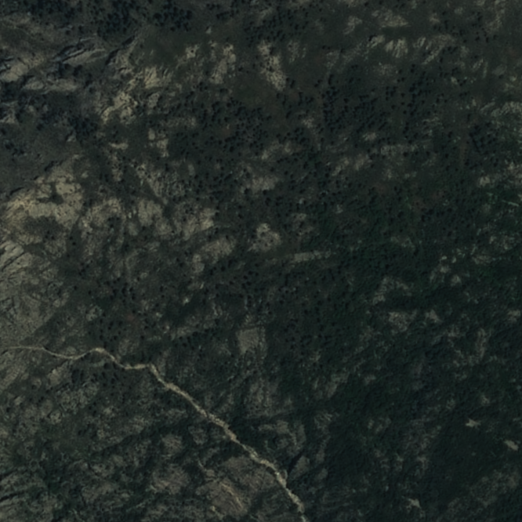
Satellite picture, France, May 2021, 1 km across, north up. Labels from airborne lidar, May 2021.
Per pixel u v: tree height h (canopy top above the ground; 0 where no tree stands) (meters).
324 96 15
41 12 18
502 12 0
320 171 19
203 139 0
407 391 12
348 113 17
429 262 8
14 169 0
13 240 0
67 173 0
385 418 13
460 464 18
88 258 0
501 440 8
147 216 0
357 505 6
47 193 0
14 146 15
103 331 20
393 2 0
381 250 10
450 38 0
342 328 17
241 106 12
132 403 6
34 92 9
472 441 7
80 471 14
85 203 7
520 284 9
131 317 0
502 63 0
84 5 11
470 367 14
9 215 0
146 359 22
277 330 6
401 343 14
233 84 0
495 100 0
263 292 15
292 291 14
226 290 23
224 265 7
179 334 0
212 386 10
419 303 18
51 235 17
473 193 8
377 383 10
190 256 21
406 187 9
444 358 7
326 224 22
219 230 22
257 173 0
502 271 12
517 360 9
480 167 17
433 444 6
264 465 13
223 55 0
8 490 6
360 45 0
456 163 7
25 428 7
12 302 7
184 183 12
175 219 0
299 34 7
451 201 8
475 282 14
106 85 0
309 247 8
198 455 6
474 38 0
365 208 11
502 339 11
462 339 12
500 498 14
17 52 0
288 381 11
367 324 8
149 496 16
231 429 17
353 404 17
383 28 0
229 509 0
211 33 0
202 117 15
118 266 0
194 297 6
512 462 7
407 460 8
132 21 10
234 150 20
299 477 8
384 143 13
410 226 6
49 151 0
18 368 0
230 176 15
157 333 9
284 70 0
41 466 15
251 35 15
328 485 8
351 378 14
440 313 7
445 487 6
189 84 0
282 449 9
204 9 0
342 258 8
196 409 6
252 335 0
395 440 18
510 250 10
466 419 22
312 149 19
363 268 8
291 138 10
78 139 9
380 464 13
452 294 13
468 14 0
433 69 0
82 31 15
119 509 11
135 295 18
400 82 15
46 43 0
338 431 18
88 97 0
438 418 8
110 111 0
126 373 26
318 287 24
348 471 6
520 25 0
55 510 13
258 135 12
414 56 0
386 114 18
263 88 0
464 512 7
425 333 15
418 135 14
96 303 8
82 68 15
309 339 31
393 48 0
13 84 16
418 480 11
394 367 14
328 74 0
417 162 7
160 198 0
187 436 10
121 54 0
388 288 8
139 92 0
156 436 11
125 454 9
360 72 13
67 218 0
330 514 7
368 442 15
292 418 13
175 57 0
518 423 7
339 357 8
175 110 14
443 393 17
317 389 7
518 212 20
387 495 16
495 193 10
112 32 14
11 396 0
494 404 15
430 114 16
